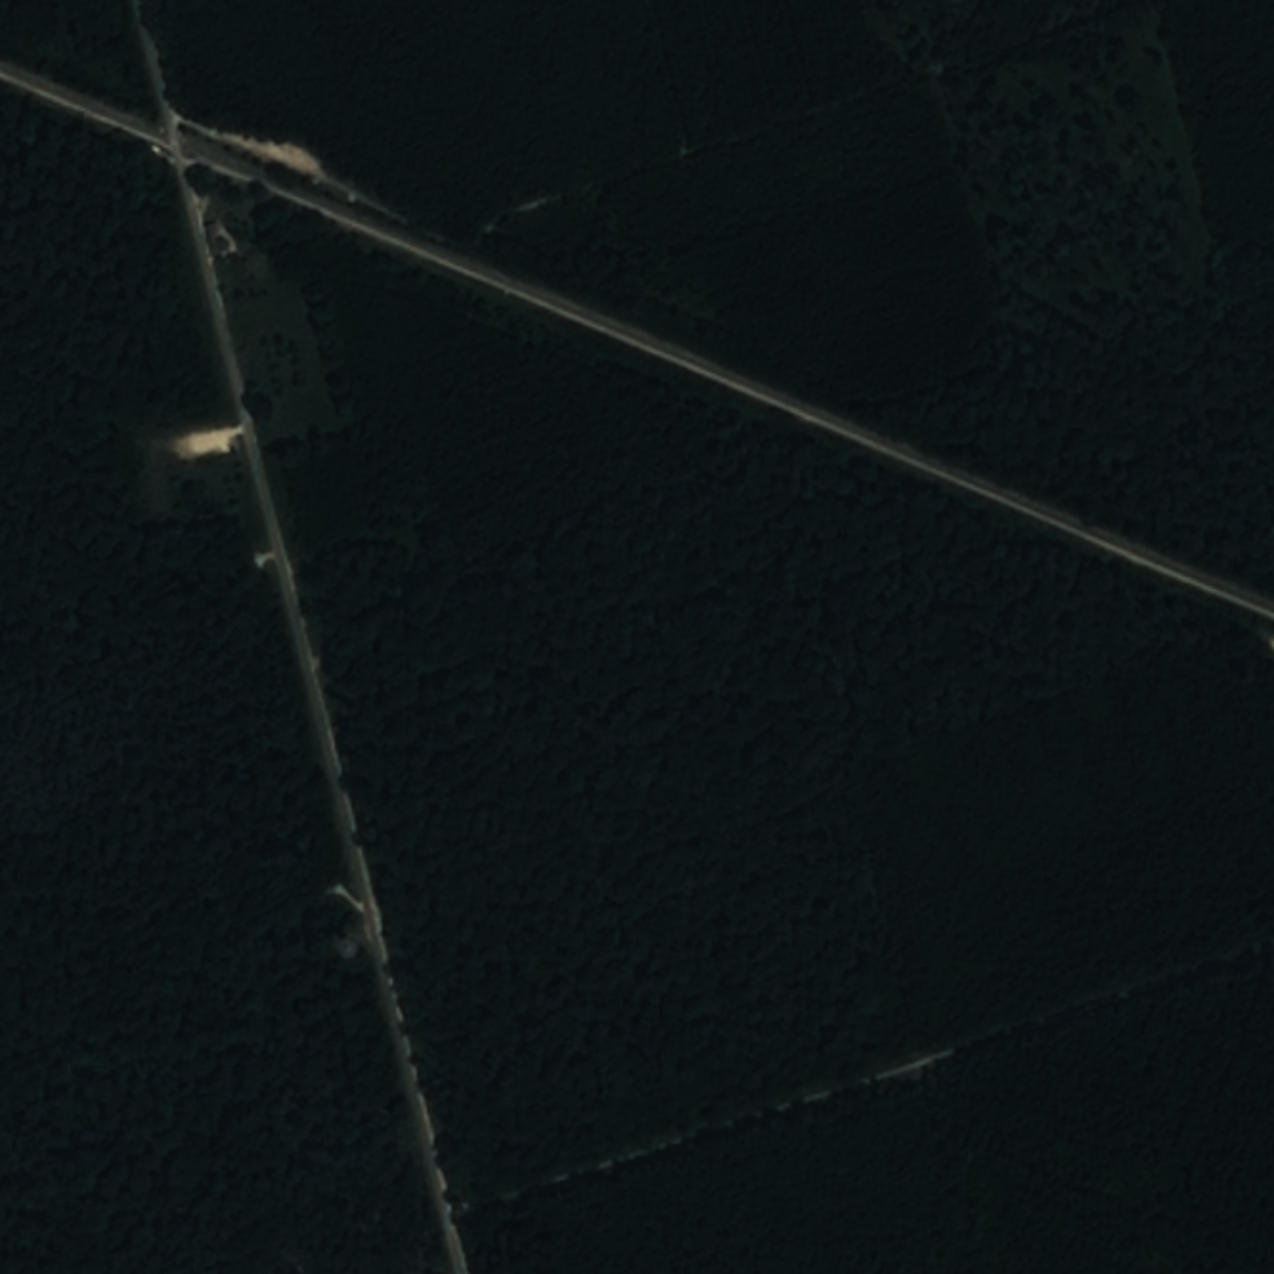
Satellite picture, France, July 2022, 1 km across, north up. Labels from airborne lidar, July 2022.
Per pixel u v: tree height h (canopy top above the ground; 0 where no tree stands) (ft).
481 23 39
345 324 28
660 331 29
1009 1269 66
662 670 70
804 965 79
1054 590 95
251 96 55
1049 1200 68
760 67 46
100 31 59
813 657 101
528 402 25
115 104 23
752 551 74
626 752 80
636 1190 49
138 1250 67
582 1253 52
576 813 80
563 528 80
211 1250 81
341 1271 81
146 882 69
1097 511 60
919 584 76
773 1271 59
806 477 80
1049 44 42
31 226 79
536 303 0
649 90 33
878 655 95
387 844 79
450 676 89
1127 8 64
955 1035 33
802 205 31
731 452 67
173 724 70
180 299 78
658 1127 60
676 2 39
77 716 66
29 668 66
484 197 37
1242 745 37
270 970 80
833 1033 79
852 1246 58
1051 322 79
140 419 56
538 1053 71
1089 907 30
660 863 82
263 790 75
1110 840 50
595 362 19
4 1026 58
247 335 0
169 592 66
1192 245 71
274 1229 77
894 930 47
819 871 67
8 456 73
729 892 78
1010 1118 61
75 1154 72
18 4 83
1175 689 39
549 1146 73
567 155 35
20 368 65
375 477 25
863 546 76
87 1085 68
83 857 63
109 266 91
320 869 96
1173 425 56
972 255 56
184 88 56
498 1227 79
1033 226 67
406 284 29
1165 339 76
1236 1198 75
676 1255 56
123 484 69
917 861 41
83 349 94
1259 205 30
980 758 44
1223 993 66
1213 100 29
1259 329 73
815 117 18
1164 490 73
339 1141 22
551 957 61
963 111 48
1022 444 90
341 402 62
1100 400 91
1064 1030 57
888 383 58
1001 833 45
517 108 36
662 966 82
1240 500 84
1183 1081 65
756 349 30
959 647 93
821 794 73
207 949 65
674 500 91
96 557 97
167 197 33
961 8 87
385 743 58
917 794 42
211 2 47
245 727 47
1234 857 30
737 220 24
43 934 71
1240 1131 72
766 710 79
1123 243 86
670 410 33
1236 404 90
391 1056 55
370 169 60
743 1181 49
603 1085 73
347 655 74
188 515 19
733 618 92
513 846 75
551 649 88
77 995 56
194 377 64
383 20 37
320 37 37
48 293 67
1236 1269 72
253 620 89
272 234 68
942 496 60
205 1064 86
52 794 60
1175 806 43
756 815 67
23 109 64
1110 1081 71
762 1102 41
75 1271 69
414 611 89
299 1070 80
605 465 40
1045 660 82
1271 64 29
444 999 71
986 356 60
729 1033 84
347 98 46
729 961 70
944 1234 58
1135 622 60
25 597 91
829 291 49
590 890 72
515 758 74
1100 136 73
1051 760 38
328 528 36
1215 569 37
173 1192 72
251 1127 71
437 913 82
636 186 31
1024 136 71
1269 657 23
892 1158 46
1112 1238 71
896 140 20
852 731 50
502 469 19
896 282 54
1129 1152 76
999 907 40
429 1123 0
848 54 46
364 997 27
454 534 49
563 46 36
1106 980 27
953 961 45
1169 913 40
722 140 29
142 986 71
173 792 66
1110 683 53
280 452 62
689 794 79
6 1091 51
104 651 66
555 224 19
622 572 77
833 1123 44
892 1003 62
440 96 40
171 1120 70
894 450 0
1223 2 34
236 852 79
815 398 21
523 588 84
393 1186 72
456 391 33
